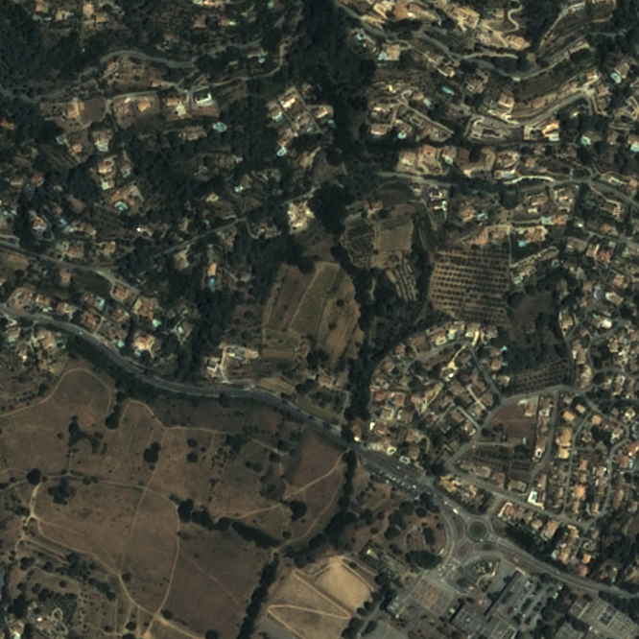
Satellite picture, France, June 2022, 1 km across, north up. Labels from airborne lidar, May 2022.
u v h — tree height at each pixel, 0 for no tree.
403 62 12
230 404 22
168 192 29
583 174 8
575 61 14
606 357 8
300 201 5
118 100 0
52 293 0
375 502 0
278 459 19
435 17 0
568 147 9
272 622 0
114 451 0
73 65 17
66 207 7
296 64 20
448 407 8
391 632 0
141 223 9
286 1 13
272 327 0
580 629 21
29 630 13
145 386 6
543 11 15
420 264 10
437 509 17
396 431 12
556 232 0
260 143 24
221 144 18
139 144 21
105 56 16
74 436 8
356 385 9
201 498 0
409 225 0
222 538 0
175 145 17
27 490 0
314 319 0
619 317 11
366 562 7
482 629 0
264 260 21
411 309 6
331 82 20
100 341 0
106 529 0
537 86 0
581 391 0
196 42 9
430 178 10
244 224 7
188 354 9
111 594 10
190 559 0
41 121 23
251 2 7
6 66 12
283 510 0
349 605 0
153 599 0
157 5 22
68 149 6
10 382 0
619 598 13
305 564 13
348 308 0
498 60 20
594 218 8
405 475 0
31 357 8
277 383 0
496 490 0
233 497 0
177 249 7
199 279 21
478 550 0
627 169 15
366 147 12
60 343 7
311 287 0
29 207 14
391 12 16
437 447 10
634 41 28
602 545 10
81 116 0
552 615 16
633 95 19
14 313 0
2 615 13
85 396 0
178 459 0
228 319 24
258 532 13
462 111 6
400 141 13
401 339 9
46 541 0
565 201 0
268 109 13
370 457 0
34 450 0
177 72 20
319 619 0
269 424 0
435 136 0
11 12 10
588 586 0
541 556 14
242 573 0
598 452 7
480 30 7
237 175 12
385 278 18
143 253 19
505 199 17
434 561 16
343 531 13
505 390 8
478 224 8
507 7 7
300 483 0
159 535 0
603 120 13
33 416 0
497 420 0
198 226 14
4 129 16
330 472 0
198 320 7
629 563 11
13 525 0
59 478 0
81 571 20
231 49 11
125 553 0
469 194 22
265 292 21
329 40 27
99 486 0
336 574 0
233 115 18
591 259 9
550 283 19
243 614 0
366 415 13
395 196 0
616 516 12
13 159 8
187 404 0
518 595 0
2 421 0
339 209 17
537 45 20
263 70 7
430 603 0
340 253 17
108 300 6
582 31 6
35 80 16
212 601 0
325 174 0
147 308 0
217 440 0
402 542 0
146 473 0
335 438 0
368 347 17
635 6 14
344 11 13
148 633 0
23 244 12
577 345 0
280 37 15
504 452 7
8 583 9
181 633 0
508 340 15
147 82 0
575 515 0
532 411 0
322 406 10
